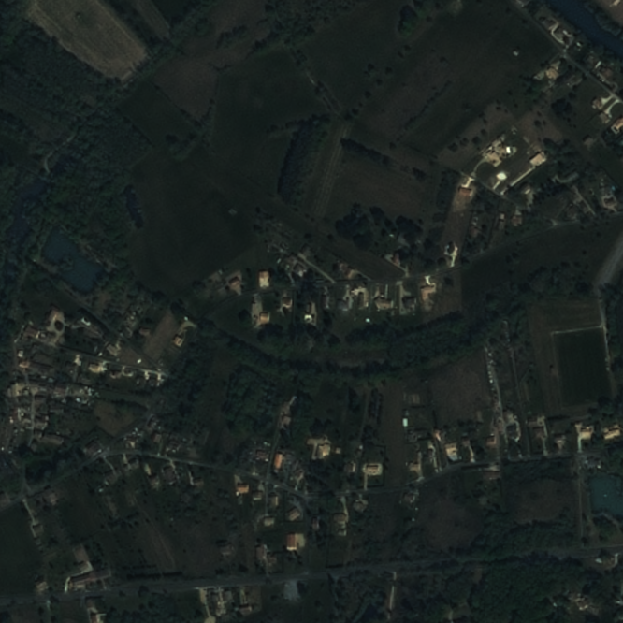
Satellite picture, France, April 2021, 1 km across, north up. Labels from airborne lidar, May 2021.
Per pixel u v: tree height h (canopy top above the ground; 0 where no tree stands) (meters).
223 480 0
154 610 13
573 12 0
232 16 0
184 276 0
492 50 0
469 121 0
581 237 0
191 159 0
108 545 0
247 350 18
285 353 23
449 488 0
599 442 15
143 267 0
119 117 17
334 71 0
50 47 17
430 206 0
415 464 0
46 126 19
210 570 0
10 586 0
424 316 0
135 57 0
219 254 0
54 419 15
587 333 0
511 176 0
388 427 0
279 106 0
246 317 15
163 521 0
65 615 0
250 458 18
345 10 9
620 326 18
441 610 21
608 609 20
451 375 0
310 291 20
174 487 8
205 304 0
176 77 0
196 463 0
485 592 21
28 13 0
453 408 0
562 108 8
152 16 0
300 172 18
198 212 0
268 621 8
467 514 0
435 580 6
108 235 10
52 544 11
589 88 0
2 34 20
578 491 0
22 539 0
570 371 0
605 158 0
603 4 0
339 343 19
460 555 16
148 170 0
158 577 7
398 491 0
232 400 12
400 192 0
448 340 12
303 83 0
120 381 0
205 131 13
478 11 0
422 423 0
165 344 0
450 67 0
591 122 0
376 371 19
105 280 13
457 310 0
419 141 0
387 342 22
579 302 0
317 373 21
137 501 0
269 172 0
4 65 21
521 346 9
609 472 13
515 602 28
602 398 0
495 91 0
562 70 0
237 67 0
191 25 13
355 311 0
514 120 0
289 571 0
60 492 0
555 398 0
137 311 6
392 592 0
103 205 19
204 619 10
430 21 12
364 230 19
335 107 14
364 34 0
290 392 0
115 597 0
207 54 0
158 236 0
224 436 0
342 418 0
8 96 21
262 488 0
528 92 6
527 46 0
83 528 0
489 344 9
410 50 9
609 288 12
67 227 10
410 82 0
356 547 8
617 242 0
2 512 0
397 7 0
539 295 9
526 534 15
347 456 8
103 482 8
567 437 8
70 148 8
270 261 0
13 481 33
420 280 0
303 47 0
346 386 9
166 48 16
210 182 0
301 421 24
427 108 6
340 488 7
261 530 0
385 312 0
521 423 0
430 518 0
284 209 0
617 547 0
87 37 0
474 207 11
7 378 7
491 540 15
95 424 0
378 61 0
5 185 18
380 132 0
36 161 8
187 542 0
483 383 0
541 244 0
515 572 26
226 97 0
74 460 17
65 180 23
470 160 0
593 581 22
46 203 10
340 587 9
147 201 0
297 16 7
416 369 9
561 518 8
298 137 11
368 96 9
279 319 0
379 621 18
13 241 7
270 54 0
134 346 0
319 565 0
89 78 10
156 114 0
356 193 0
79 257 0
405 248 6
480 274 0
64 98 7
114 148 20
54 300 0
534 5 6
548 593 25
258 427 19
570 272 14
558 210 0
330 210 0
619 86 0
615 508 0
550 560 18
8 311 14
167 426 7
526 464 6
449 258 0
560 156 13
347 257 0
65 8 0
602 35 0
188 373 9
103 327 13
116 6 17
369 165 0
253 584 0
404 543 14
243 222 0
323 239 0
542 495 0
